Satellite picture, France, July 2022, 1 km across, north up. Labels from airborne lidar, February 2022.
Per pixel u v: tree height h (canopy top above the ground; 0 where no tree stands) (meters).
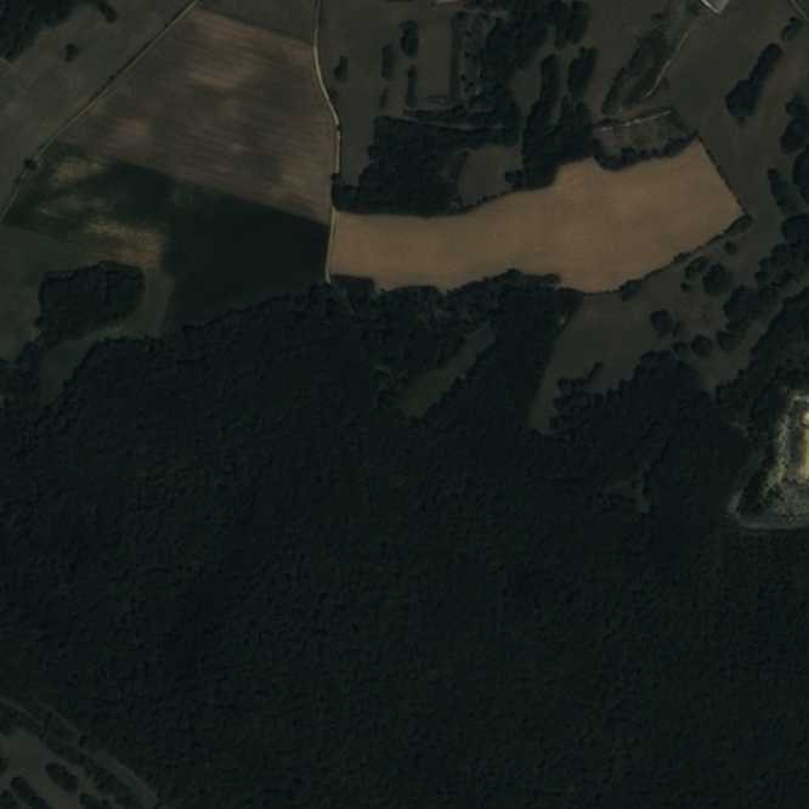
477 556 16
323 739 13
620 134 18
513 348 18
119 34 0
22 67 0
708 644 13
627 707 24
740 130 0
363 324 22
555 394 0
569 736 16
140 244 0
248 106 0
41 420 18
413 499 21
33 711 14
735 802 19
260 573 18
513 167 0
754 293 13
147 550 20
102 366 9
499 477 20
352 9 0
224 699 25
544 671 13
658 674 13
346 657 17
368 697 13
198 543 18
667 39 22
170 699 22
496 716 13
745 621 10
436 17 0
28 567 27
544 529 19
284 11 0
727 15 0
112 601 24
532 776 19
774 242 0
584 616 16
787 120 0
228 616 22
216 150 0
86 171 0
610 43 0
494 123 8
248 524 24
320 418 17
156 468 20
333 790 13
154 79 0
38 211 0
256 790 22
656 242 0
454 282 0
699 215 0
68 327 21
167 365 23
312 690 16
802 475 0
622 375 0
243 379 21
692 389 20
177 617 27
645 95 10
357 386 15
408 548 18
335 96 7
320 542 15
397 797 20
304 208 0
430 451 18
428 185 14
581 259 0
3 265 0
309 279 0
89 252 0
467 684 13
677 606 16
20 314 0
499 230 0
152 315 0
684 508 14
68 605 26
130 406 21
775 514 0
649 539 9
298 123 0
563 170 0
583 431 22
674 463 18
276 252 0
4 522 27
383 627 15
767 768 14
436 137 9
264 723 17
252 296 0
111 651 23
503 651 15
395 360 17
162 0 0
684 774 24
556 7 18
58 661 22
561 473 19
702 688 15
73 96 0
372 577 18
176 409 17
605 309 0
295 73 0
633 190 0
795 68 0
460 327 25
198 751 21
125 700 21
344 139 0
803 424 0
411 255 0
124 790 16
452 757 17
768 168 0
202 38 0
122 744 18
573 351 0
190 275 0
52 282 16
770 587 10
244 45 0
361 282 6
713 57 0
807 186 21
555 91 16
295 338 21
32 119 0
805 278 0
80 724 16
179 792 16
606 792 16
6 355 0
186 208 0
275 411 18
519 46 10
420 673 15
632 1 0
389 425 22
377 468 17
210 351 18
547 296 21
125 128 0
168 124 0
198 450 16
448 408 20
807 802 15
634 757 17
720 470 13
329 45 0
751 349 0
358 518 18
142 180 0
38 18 16
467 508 18
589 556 22
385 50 6
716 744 15
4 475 23
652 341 0
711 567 13
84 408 18
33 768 0
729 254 7
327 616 23
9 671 18
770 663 13
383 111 0
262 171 0
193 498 17
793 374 12
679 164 0
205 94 0
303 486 21
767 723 12
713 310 0
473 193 0
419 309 24
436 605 15
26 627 19
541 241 0
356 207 14
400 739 11
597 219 0
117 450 18
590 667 21
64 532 28
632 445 14
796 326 7
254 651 19
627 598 15
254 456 14
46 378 0
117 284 17
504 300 16
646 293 0
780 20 0
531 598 22
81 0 17
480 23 0
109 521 21
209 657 20
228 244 0
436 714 12
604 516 15
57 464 18
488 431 23
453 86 0
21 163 0
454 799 17
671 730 18
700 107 0
